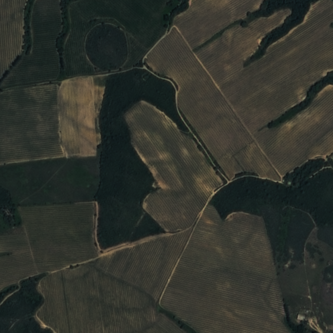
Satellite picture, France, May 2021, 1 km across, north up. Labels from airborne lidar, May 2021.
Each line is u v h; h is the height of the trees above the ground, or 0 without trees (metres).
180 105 0
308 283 0
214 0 0
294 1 15
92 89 0
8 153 0
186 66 0
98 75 0
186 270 0
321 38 0
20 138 0
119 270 0
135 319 0
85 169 0
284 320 0
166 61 0
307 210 6
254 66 0
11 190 0
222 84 0
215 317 0
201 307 0
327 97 0
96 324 0
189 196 0
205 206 0
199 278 0
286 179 14
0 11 0
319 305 0
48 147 0
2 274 0
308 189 5
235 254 0
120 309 0
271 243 0
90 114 0
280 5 17
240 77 0
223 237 0
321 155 0
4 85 0
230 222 0
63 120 0
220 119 0
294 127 0
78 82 0
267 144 0
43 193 0
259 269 0
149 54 0
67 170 0
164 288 0
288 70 0
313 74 0
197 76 0
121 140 5
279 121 6
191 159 0
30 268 0
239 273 0
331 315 0
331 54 0
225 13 0
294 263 0
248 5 0
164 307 0
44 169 0
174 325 0
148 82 7
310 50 0
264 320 0
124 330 0
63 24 11
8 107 0
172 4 12
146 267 0
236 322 0
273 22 0
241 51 0
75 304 0
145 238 0
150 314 0
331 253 0
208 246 0
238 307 0
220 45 0
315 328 0
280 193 6
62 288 0
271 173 0
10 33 0
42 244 0
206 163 0
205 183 0
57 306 0
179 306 0
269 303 0
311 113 0
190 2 0
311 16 0
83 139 0
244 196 5
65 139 0
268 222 0
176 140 0
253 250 0
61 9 10
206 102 0
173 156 0
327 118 0
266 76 0
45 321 0
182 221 0
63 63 22
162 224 0
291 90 0
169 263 0
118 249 0
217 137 0
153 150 0
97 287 0
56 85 0
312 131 0
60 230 0
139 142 0
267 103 0
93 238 0
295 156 0
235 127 0
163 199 0
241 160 0
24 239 0
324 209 7
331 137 0
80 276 0
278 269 0
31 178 0
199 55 0
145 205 0
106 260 0
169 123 0
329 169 9
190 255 0
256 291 0
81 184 0
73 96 0
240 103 0
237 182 5
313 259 0
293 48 0
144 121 0
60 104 0
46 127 0
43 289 0
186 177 0
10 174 0
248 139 0
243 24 15
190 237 0
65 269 0
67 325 0
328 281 0
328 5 0
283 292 0
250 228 0
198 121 0
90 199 0
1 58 0
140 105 0
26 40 11
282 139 0
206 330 0
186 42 0
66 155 0
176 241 0
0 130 0
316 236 0
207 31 0
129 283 0
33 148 0
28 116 0
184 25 0
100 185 9
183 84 0
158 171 0
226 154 0
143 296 0
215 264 0
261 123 0
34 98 0
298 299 0
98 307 0
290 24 15
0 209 12
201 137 0
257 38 0
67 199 0
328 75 13
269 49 0
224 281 0
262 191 6
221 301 0
